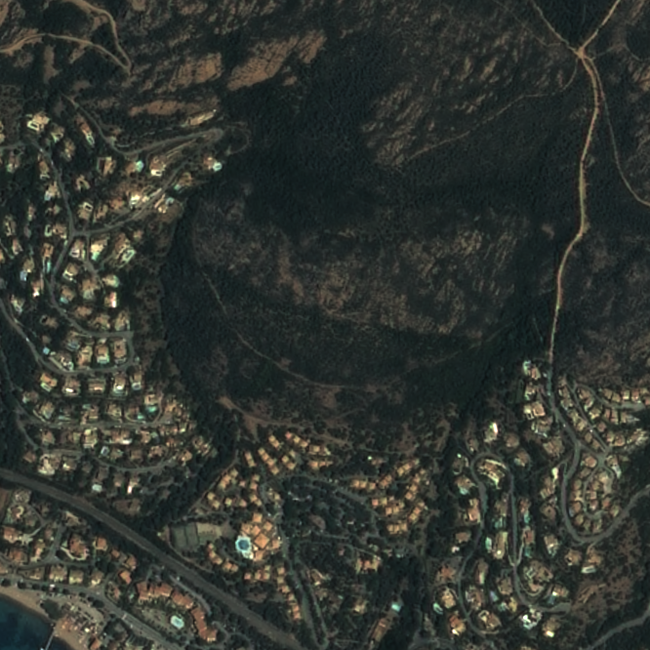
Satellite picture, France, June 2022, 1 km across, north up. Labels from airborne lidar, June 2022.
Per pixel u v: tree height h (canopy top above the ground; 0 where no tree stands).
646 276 0
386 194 6
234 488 0
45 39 10
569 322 8
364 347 6
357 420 7
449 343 10
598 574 8
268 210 7
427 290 0
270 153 9
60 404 7
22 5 6
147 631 0
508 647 7
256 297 6
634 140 8
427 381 8
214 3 6
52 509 14
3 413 10
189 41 7
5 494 0
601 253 0
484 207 7
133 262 7
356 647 14
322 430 7
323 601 7
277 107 10
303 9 0
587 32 8
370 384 0
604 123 9
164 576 12
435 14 0
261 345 6
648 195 0
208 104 0
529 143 9
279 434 8
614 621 14
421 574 14
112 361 6
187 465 11
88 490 7
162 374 7
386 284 0
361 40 9
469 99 7
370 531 11
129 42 11
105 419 13
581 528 6
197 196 10
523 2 9
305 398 5
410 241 0
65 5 8
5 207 8
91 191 6
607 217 7
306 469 14
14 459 10
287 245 0
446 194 9
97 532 11
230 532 0
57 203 10
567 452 7
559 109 6
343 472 11
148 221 7
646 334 0
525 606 6
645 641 8
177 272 10
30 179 8
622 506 8
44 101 9
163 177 6
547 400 7
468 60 0
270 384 8
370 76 6
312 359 5
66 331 9
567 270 0
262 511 11
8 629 0
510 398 9
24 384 8
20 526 9
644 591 10
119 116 7
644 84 0
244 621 10
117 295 6
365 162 8
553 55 0
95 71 7
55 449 10
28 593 0
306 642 13
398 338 10
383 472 13
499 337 7
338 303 0
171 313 10
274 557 10
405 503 10
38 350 7
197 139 6
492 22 0
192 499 12
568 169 7
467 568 7
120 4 7
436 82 0
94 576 0
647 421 8
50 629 0
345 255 0
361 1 0
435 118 0
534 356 11
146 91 6
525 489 7
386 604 8
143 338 10
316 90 7
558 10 11
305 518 13
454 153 9
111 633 15
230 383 7
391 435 5
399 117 0
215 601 11
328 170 8
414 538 10
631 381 7
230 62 7
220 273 9
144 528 13
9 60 6
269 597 5
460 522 0
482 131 7
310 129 9
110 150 7
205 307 7
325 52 6
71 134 8
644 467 8
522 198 8
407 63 0
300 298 0
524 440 6
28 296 7
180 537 0
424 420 8
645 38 6
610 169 7
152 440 11
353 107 8
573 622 7
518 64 7
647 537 9
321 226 7
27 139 8
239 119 9
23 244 7
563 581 6
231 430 9
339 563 7
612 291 0
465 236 0
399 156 0
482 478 6
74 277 7
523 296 7
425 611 15
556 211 7
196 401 11
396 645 18
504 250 8
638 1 0
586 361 0
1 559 0
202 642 15
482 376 6
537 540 7
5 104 6
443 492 7
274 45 0
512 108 6
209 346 9
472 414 6
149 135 9
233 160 9
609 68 7
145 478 15
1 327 8
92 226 8
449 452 12
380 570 6
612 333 0
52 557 0
